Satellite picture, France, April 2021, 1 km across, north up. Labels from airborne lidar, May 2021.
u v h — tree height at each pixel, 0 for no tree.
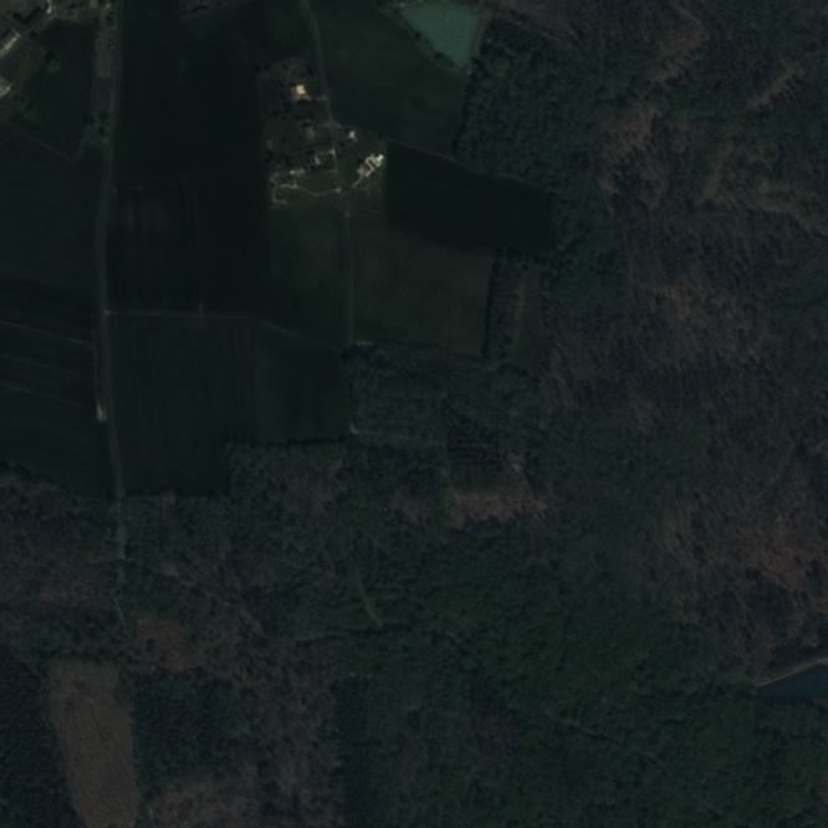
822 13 18
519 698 24
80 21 0
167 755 18
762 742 18
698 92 16
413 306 0
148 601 20
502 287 17
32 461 0
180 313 0
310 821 12
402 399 21
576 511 16
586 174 23
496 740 16
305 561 13
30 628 12
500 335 18
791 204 21
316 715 16
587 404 32
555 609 16
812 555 15
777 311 19
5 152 0
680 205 17
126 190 0
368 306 0
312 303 0
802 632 8
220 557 15
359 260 0
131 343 0
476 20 0
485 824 16
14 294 0
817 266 22
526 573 9
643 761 13
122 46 0
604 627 19
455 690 25
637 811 18
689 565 15
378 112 0
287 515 18
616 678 16
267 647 19
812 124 25
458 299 0
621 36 17
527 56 25
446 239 0
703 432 18
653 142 7
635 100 27
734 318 24
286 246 0
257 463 18
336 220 0
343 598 8
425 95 0
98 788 22
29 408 0
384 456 21
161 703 20
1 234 0
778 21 22
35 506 6
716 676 15
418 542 18
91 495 6
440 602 20
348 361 17
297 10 0
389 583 20
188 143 0
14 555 14
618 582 19
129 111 0
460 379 22
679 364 16
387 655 16
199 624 20
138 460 0
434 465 17
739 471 17
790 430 20
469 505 0
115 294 0
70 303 0
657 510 18
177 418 0
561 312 15
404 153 0
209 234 0
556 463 21
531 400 22
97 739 21
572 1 0
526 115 16
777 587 12
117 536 18
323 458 17
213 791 12
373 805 12
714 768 17
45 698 7
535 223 0
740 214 18
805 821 19
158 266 0
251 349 0
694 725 18
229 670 18
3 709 21
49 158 0
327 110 0
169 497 18
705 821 16
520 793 21
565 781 18
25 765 20
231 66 0
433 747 21
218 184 0
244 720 21
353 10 0
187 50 0
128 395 0
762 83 27
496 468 14
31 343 0
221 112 0
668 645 14
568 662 18
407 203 0
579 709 14
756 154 18
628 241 18
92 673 23
